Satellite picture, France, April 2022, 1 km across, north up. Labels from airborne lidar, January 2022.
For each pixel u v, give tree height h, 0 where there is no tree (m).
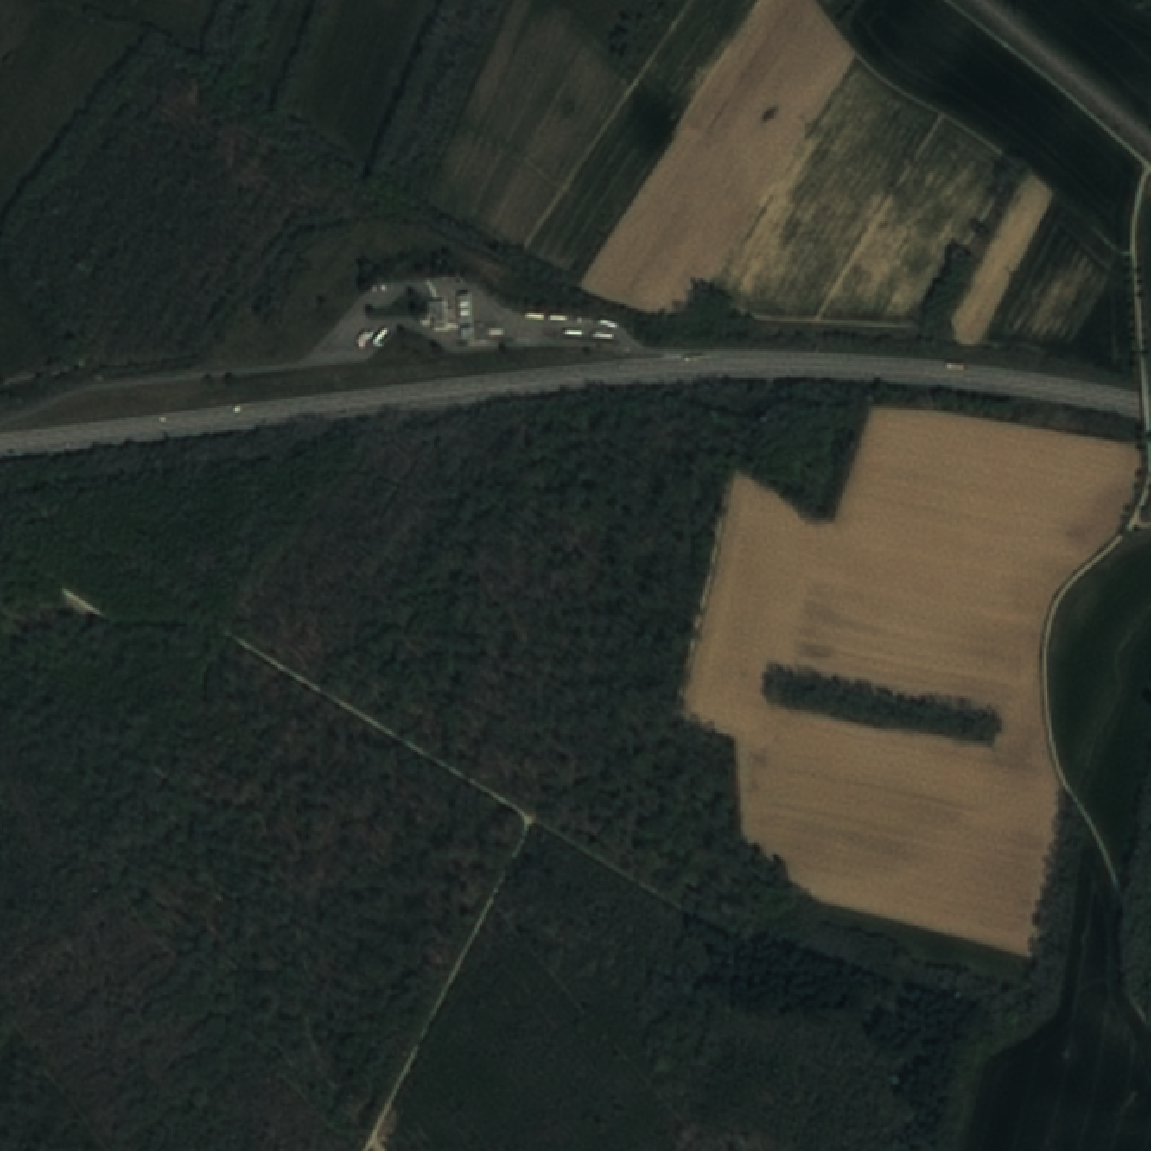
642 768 28
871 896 0
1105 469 0
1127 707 0
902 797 0
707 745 21
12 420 0
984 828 0
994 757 0
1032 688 0
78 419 0
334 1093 19
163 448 8
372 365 0
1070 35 0
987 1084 0
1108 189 0
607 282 0
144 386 0
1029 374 0
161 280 16
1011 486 0
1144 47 0
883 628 0
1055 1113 0
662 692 26
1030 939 0
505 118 0
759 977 31
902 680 0
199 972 21
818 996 29
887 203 0
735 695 0
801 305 0
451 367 0
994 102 0
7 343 0
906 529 0
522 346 0
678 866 19
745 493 0
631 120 0
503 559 30
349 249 0
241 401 0
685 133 0
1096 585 0
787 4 0
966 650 0
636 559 28
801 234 0
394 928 8
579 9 0
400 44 0
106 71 0
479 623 28
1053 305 0
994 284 0
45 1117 23
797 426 26
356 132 0
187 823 24
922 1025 22
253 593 21
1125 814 0
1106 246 0
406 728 18
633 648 25
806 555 0
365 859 21
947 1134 28
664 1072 22
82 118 13
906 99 0
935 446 0
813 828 0
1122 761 0
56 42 0
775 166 0
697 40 0
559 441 28
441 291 0
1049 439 0
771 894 20
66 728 26
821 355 0
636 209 0
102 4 0
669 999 22
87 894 7
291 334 0
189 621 12
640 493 26
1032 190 0
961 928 0
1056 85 0
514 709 30
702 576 26
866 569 0
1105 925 0
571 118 0
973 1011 23
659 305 0
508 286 0
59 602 12
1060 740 0
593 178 0
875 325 0
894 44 0
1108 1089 0
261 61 7
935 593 0
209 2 0
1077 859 13
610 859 21
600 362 0
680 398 12
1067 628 0
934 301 12
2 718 10
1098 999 0
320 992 27
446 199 0
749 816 0
